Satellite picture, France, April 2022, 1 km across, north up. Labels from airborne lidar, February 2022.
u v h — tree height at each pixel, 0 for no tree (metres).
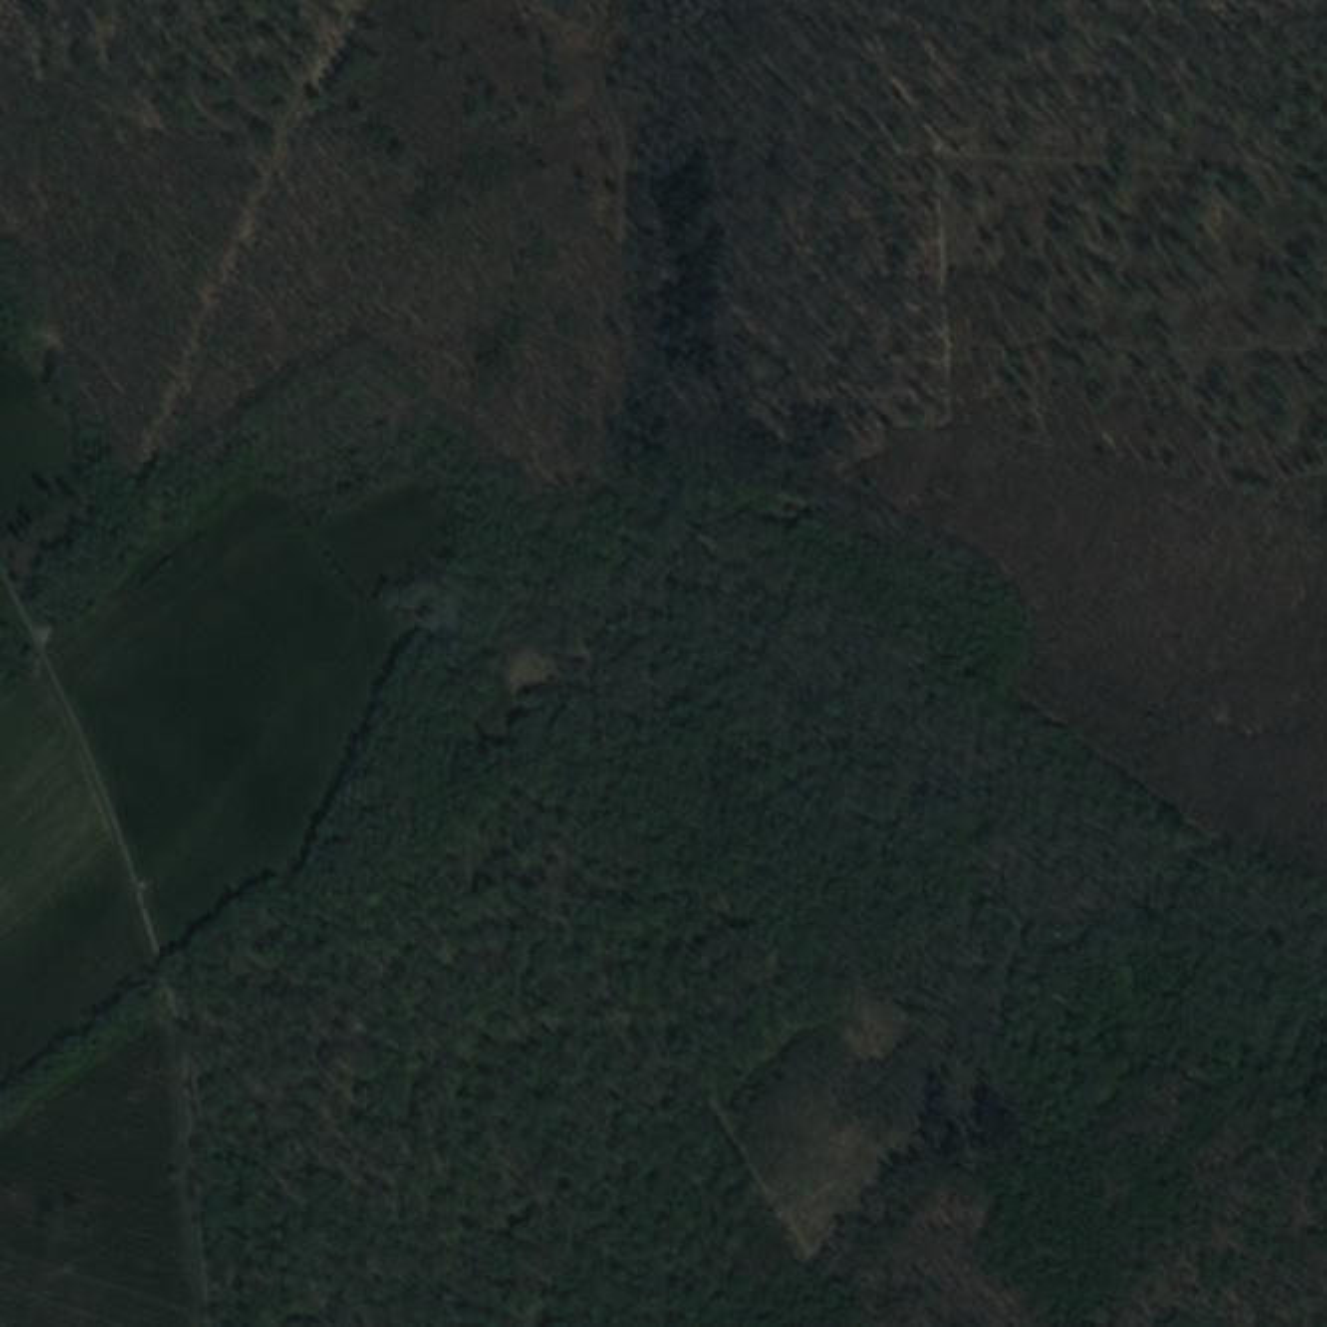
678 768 25
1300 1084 22
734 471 28
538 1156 24
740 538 22
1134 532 11
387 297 21
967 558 29
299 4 31
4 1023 0
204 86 29
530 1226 24
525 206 18
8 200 16
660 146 30
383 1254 27
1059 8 32
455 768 25
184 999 22
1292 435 30
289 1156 30
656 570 25
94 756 0
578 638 15
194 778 0
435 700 28
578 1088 22
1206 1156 19
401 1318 27
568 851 26
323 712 0
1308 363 0
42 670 0
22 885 0
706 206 18
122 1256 0
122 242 19
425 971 28
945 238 0
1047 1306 20
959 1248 26
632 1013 27
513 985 28
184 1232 0
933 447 13
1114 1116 20
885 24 33
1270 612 10
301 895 18
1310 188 28
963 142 0
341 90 26
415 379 26
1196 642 14
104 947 0
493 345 19
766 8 26
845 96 30
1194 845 23
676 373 31
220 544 0
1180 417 7
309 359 22
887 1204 20
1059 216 0
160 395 19
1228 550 0
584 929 28
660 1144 24
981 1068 26
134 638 0
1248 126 33
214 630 0
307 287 22
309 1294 26
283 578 0
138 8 30
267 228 23
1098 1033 20
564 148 9
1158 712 9
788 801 16
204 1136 22
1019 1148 25
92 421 24
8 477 0
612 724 25
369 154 19
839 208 32
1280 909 22
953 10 29
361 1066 30
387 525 0
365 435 26
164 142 16
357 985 26
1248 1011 23
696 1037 25
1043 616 13
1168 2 35
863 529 31
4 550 0
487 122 26
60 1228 28
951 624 26
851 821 27
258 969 30
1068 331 0
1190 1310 21
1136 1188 18
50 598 19
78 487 0
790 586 23
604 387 19
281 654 0
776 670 25
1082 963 26
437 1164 31
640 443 25
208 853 0
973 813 25
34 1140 0
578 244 20
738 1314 17
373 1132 28
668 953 25
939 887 21
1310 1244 21
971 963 23
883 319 32
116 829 0
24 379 0
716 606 24
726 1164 24
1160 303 0
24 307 24
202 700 0
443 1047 29
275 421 30
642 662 18
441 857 23
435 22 8
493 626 16
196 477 24
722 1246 22
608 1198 24
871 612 27
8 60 26
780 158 31
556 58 30
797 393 27
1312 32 32
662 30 31
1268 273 0
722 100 29
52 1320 0
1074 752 19
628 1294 24
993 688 21
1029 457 12
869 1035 0
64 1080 9
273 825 0
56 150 17
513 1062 24
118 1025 23
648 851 28
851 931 19
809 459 21
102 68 31
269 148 28
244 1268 23
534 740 26
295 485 18
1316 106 29
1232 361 0
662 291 32
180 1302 0
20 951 0
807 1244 0
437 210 21
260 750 0
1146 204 6
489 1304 27
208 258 16
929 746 21
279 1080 29
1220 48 34
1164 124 34
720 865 29
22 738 0
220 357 20
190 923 0
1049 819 23
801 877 27
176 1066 0
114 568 23
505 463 26
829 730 25
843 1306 15
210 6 31
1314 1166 24
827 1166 0
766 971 31
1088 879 23
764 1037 27
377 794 24
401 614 7
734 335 29
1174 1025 16
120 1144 0
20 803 0
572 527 28
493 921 15
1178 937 25
